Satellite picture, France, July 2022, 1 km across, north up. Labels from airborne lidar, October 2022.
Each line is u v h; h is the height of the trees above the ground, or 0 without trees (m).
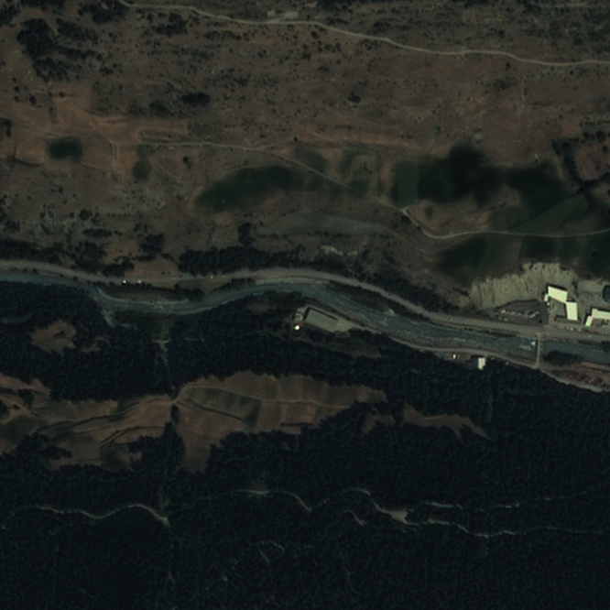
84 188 0
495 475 15
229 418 0
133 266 10
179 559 20
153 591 15
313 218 0
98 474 21
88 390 18
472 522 8
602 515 16
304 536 13
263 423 0
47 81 7
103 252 12
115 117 0
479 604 16
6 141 0
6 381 0
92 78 0
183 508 9
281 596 14
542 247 0
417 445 24
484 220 0
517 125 0
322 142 0
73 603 16
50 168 0
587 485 22
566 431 12
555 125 0
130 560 11
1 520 18
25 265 0
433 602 26
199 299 18
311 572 28
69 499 20
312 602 22
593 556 7
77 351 16
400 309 14
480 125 0
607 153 14
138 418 0
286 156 0
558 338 0
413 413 0
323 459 11
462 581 21
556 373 0
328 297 0
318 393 0
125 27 0
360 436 20
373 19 0
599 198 0
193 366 7
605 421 27
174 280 0
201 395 0
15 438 0
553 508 12
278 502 10
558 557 26
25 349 28
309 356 18
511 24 0
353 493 19
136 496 7
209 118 0
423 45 0
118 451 0
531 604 22
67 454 19
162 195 0
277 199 0
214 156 0
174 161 0
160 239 12
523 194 0
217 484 18
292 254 8
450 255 0
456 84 0
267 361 11
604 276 0
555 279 0
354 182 0
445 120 0
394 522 14
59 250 8
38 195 0
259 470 7
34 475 23
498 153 0
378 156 0
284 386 0
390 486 15
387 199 0
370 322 0
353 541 27
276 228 0
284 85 0
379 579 23
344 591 22
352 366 26
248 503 10
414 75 0
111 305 0
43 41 11
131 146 0
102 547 16
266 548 15
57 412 0
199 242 0
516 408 17
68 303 17
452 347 0
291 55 0
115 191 0
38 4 19
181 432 0
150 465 22
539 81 0
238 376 0
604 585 15
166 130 0
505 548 7
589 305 0
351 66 0
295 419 0
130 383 16
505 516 8
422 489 9
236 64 0
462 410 27
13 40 0
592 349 0
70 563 7
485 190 0
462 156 0
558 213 0
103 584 13
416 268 0
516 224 0
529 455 29
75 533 10
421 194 0
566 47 0
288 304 6
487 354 0
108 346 15
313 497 14
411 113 0
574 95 0
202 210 0
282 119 0
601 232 0
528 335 0
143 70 0
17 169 0
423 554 27
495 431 28
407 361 30
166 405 0
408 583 20
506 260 0
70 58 6
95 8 17
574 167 7
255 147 0
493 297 0
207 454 0
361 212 0
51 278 0
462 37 0
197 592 21
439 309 9
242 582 23
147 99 0
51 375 19
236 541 6
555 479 9
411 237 0
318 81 0
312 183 0
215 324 14
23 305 24
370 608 26
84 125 0
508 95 0
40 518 11
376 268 0
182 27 9
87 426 0
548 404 28
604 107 0
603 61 0
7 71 0
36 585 10
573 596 20
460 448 7
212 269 17
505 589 7
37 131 0
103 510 16
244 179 0
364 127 0
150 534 12
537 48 0
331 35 0
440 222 0
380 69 0
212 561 24
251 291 0
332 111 0
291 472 7
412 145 0
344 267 10
